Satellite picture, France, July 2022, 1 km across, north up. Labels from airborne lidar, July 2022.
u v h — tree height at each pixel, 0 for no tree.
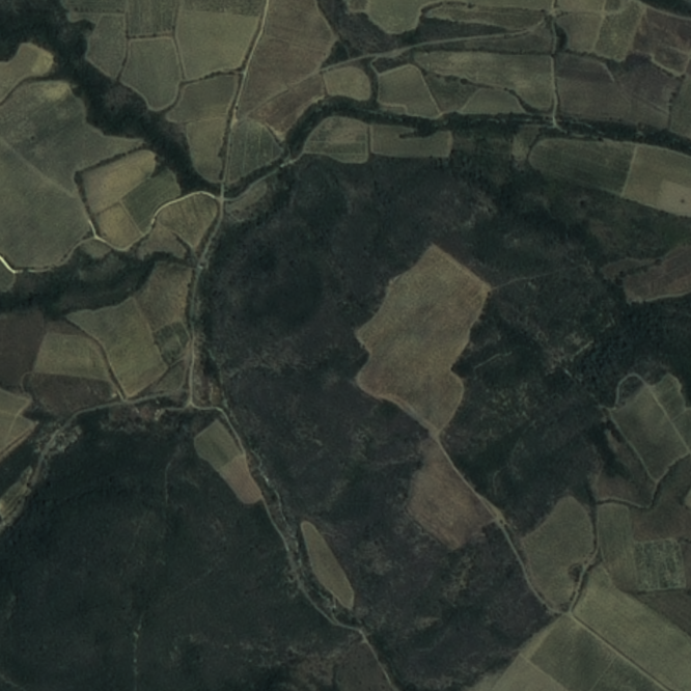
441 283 0
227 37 0
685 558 0
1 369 0
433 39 0
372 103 7
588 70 0
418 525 0
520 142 0
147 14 0
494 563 0
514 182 7
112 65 0
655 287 0
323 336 0
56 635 0
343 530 0
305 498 0
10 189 0
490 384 6
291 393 0
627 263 0
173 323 0
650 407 0
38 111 0
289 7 0
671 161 0
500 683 0
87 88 8
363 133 0
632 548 0
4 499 0
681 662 0
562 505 0
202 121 0
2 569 9
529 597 0
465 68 0
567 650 0
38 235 0
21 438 0
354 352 0
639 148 0
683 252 0
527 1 0
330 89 0
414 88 0
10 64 0
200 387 0
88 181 0
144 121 9
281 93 0
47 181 0
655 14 0
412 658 0
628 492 0
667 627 0
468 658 0
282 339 0
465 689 0
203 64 0
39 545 7
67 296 0
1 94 0
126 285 0
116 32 0
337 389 0
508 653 0
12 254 0
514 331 10
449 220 0
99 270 0
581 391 9
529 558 0
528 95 0
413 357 0
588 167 0
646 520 0
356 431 0
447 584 0
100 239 0
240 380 0
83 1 0
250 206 0
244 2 0
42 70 0
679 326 7
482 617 0
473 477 6
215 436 0
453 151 9
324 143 0
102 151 0
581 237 10
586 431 6
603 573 0
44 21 7
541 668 0
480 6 0
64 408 0
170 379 0
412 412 0
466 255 0
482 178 7
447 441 0
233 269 0
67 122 0
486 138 6
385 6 0
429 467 0
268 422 0
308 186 0
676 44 0
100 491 7
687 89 0
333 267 0
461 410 0
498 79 0
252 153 0
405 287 0
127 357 0
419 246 0
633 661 0
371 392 0
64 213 0
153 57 0
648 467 0
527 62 0
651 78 0
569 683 0
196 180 9
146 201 0
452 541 0
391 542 0
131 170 0
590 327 6
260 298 0
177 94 0
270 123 0
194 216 0
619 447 0
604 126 9
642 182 0
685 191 0
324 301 0
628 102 0
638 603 0
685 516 0
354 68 0
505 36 6
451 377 0
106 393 0
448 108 0
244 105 0
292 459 0
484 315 8
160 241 0
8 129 0
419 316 0
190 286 6
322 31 0
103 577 0
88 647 0
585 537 0
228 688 6
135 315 0
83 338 0
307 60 0
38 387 0
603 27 0
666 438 0
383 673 0
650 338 6
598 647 0
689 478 0
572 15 0
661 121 0
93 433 9
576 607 0
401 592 0
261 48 0
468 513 0
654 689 0
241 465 0
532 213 6
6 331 0
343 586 0
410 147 0
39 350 0
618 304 6
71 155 0
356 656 0
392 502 0
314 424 0
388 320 0
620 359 10
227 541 0
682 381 6
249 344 0
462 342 0
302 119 8
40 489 6
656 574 0
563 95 0
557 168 0
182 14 0
